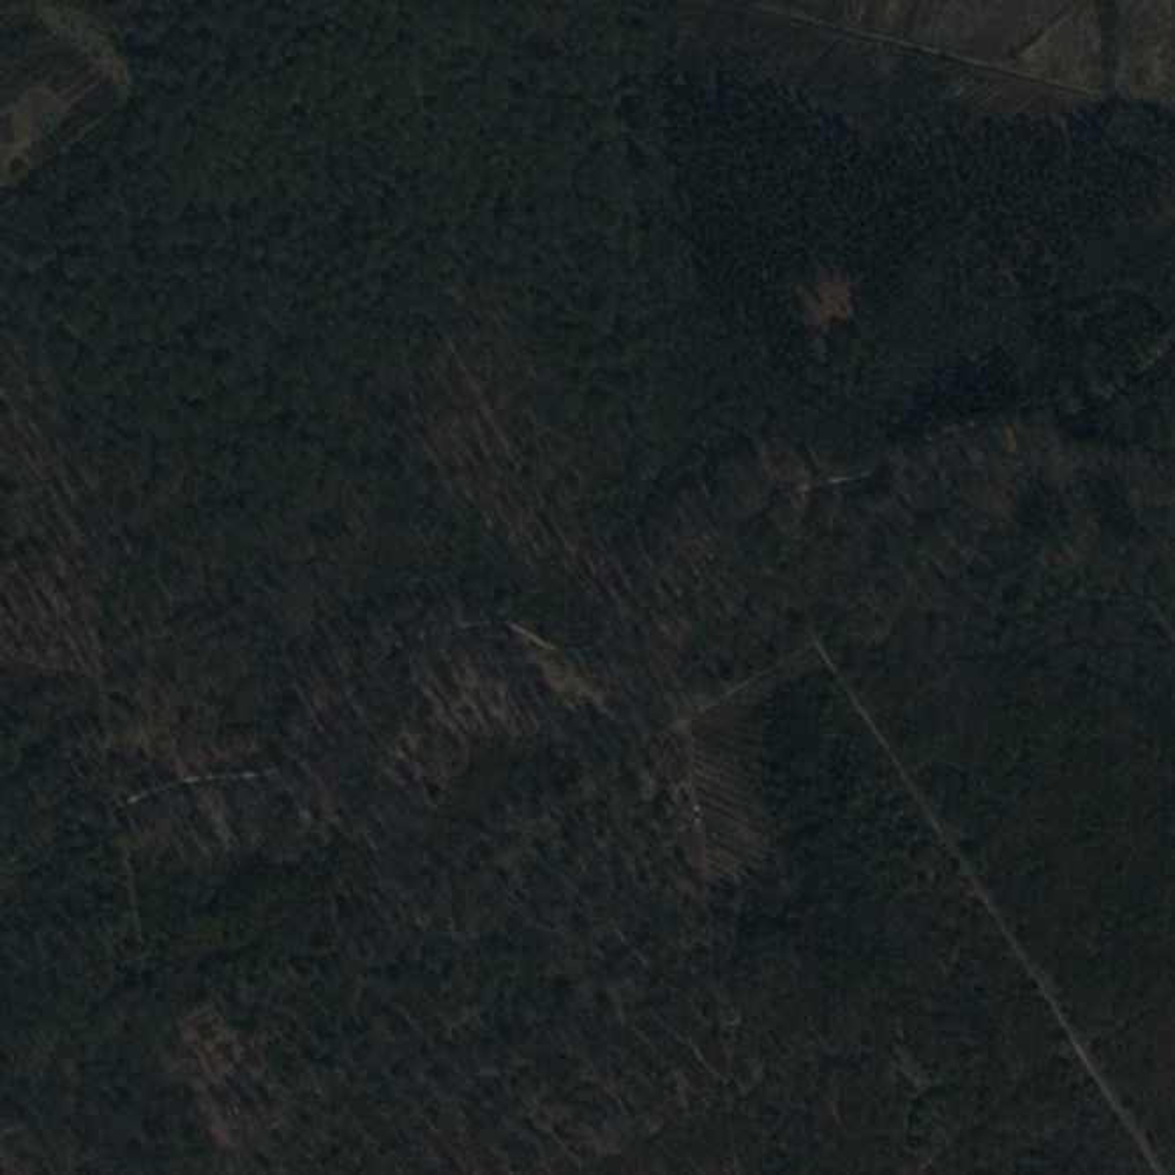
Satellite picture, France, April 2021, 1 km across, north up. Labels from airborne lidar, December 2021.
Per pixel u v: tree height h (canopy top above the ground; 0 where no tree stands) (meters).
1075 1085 9
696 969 10
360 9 32
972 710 15
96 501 28
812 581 22
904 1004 12
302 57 31
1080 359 15
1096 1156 8
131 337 36
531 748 7
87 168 17
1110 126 21
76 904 21
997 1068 13
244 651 18
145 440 31
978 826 11
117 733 9
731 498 27
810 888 11
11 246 29
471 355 31
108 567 34
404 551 11
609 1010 25
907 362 15
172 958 13
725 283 28
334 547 25
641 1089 10
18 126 0
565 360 31
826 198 23
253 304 36
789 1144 11
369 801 28
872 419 14
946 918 13
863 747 9
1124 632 19
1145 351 20
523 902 12
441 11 30
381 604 9
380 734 27
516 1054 17
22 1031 35
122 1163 35
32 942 35
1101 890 14
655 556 26
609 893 18
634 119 28
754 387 6
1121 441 17
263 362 33
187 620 22
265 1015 8
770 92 7
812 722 12
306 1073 9
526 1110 20
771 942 19
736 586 29
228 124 29
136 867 15
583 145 30
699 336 13
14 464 29
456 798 8
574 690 0
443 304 32
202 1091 28
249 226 33
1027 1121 13
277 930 13
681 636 28
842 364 20
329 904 12
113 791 11
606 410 31
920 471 25
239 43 16
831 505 33
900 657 11
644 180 20
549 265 29
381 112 34
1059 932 16
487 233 31
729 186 23
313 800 34
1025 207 24
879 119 12
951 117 15
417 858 31
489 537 30
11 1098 34
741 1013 6
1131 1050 13
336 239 33
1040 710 14
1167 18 0
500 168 31
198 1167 13
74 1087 32
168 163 32
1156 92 0
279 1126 0
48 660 34
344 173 31
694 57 8
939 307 14
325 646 23
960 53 0
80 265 35
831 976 16
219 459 32
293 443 33
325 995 6
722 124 27
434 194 30
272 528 32
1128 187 27
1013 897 13
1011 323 13
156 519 12
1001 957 11
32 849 28
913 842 7
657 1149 9
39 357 35
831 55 6
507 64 31
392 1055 7
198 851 28
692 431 20
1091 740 11
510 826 6
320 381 27
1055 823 14
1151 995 13
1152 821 15
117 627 32
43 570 6
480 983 13
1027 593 15
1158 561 17
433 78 26
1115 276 12
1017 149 22
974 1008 15
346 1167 9
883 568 23
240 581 18
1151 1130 10
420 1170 7
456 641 33
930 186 21
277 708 10
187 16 14
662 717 33
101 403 33
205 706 12
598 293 20
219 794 32
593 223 33
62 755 30
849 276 23
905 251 20
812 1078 7
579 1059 11
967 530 19
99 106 7
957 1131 11
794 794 14
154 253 30
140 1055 36
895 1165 12
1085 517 17
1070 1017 9
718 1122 6
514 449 30
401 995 13
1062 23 0
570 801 30
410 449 31
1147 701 12
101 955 32
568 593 13
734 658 16
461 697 31
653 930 14
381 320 32
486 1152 21
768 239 25
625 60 25
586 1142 7
